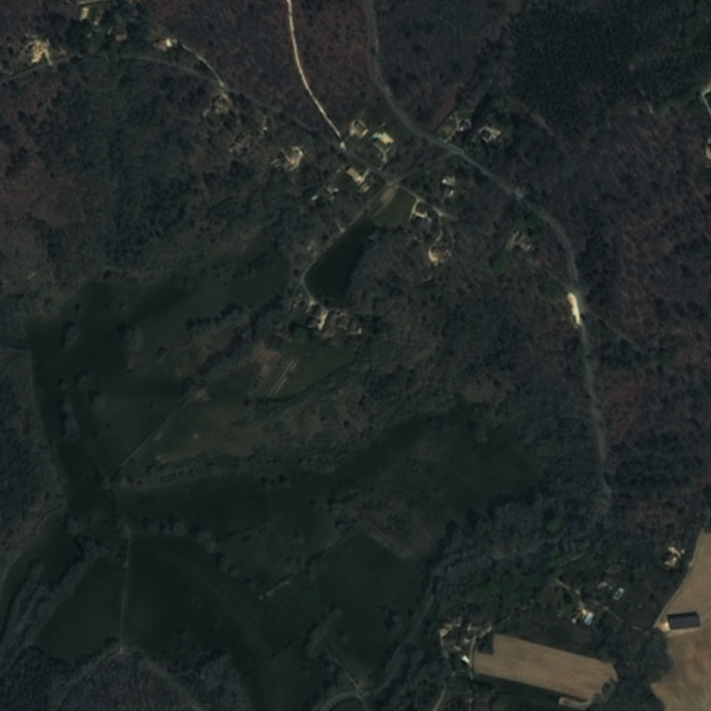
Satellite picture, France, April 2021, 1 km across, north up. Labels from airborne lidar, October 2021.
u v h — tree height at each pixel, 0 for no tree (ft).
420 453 0
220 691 29
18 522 30
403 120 0
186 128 44
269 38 25
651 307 37
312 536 0
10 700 68
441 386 62
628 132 59
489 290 54
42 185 0
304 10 39
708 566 0
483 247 66
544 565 37
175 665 28
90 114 60
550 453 76
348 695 0
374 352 64
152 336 0
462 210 38
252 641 0
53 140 79
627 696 47
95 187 71
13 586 0
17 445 60
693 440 57
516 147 39
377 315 44
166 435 0
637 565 37
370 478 0
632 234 33
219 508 0
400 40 50
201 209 36
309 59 43
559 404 62
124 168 77
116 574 0
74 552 0
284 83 48
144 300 0
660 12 59
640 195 46
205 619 0
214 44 26
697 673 0
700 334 44
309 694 0
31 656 56
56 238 76
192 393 66
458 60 56
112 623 0
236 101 61
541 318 60
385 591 0
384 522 0
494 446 0
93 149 92
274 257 0
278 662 0
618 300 46
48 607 64
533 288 70
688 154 27
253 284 0
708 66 55
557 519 57
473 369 33
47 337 0
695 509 41
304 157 55
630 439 35
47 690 62
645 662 60
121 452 0
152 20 49
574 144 60
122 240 41
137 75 67
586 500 58
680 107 22
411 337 51
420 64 37
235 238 90
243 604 0
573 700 0
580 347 64
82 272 53
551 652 0
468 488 0
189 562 0
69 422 82
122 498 0
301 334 67
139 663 58
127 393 0
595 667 0
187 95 48
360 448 55
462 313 66
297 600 0
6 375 52
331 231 58
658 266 38
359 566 0
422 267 72
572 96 64
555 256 39
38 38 25
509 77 49
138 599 0
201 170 33
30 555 0
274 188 60
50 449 50
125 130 74
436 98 37
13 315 70
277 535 0
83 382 25
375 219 0
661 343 26
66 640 0
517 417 57
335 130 33
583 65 56
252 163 58
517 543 62
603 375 41
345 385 41
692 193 29
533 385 52
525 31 61
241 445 0
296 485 0
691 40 62
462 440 0
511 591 64
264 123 0
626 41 66
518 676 0
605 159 39
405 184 28
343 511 18
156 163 81
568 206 36
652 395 22
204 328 49
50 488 63
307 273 0
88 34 67
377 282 67
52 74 51
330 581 0
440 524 0
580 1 66
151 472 37
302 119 47
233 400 0
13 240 0
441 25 70
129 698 26
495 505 0
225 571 43
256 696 0
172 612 0
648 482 20
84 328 0
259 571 0
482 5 42
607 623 48
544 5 52
